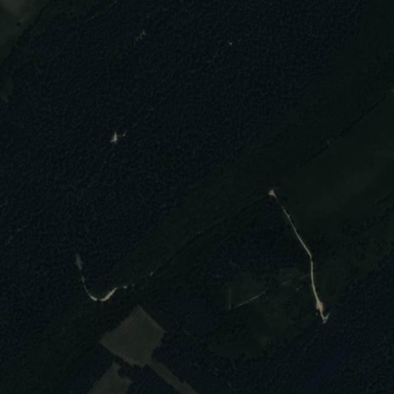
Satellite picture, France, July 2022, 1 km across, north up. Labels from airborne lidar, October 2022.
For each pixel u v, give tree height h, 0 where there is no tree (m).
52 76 12
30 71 12
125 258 14
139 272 10
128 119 11
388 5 19
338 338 27
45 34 22
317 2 30
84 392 18
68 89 22
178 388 0
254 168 17
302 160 19
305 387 27
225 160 13
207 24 18
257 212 18
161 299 17
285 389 27
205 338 12
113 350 0
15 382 9
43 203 28
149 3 19
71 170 26
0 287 28
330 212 0
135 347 0
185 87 6
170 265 20
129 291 18
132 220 18
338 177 0
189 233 15
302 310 8
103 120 32
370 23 17
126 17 14
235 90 21
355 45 15
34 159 24
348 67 14
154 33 24
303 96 11
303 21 23
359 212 0
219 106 29
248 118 23
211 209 12
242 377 19
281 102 20
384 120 0
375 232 0
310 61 17
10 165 30
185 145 29
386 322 25
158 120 13
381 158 0
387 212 9
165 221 13
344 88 20
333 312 0
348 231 10
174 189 8
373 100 20
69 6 6
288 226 11
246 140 15
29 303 19
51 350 12
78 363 22
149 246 13
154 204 25
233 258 17
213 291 6
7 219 23
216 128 24
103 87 14
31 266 17
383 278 14
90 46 19
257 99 24
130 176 18
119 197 35
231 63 9
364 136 0
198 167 7
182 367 20
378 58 20
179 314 14
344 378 14
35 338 16
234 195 14
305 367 24
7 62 18
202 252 26
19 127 9
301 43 9
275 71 24
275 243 22
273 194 0
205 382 21
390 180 0
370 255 0
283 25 8
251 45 33
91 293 12
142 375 21
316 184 0
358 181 0
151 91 20
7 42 0
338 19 21
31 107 26
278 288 13
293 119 9
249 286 0
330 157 0
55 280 22
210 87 9
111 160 18
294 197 0
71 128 27
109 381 0
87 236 18
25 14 0
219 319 16
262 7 22
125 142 25
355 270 8
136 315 0
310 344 20
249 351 0
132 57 17
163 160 12
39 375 13
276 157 16
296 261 15
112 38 18
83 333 13
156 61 35
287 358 24
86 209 7
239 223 21
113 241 18
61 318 13
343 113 22
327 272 0
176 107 8
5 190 6
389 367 15
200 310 17
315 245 14
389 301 26
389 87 18
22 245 10
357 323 27
